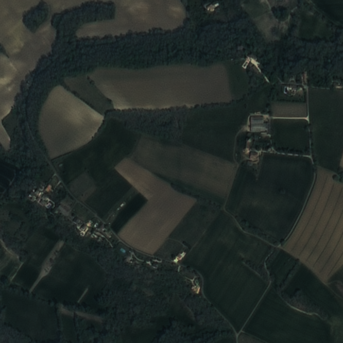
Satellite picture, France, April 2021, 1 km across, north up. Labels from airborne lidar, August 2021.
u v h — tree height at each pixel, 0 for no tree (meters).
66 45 26
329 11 0
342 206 0
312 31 0
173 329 16
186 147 0
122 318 22
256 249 0
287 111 0
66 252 0
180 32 21
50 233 0
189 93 0
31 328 0
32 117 22
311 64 19
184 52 18
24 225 11
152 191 0
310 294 0
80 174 0
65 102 0
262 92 0
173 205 0
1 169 0
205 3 11
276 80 15
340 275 0
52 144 0
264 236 10
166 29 0
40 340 0
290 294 0
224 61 9
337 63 24
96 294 0
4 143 0
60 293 0
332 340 0
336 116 0
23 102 14
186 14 0
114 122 0
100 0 0
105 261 19
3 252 0
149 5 0
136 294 17
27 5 0
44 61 20
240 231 0
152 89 0
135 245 0
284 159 0
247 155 0
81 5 0
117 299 14
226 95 0
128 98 0
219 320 9
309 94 0
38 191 0
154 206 0
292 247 0
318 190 0
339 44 20
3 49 21
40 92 23
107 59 21
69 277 0
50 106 0
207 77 0
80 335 12
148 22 0
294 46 7
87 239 14
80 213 0
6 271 0
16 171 0
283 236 0
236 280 0
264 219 0
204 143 0
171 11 0
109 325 16
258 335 0
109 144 0
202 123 0
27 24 20
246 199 0
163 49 17
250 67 7
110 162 0
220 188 0
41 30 0
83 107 0
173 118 12
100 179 0
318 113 0
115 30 0
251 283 0
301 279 0
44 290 0
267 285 0
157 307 13
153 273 15
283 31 0
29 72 0
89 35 0
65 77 10
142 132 13
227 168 0
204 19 7
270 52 12
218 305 0
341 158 0
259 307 0
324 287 0
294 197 0
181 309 0
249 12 0
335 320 0
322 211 0
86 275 0
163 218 0
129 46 21
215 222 0
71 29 20
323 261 0
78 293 0
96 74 0
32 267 0
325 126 0
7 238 18
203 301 17
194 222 0
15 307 0
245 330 0
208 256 0
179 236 0
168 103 0
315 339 0
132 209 0
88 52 28
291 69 14
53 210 11
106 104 0
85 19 20
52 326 0
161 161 0
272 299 0
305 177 0
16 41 0
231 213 0
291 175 0
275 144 10
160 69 0
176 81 0
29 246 0
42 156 18
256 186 0
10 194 15
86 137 0
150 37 20
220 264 0
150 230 0
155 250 0
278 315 0
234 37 13
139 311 23
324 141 0
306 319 0
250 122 0
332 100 0
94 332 10
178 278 19
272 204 0
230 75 0
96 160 0
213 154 0
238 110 0
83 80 0
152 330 0
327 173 0
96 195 0
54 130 0
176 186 12
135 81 0
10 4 0
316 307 14
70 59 24
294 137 0
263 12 0
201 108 7
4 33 0
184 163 0
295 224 0
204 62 26
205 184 0
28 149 19
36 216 16
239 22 26
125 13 0
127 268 18
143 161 0
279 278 0
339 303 0
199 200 12
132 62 18
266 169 0
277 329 0
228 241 0
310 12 16
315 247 0
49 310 0
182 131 15
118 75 0
